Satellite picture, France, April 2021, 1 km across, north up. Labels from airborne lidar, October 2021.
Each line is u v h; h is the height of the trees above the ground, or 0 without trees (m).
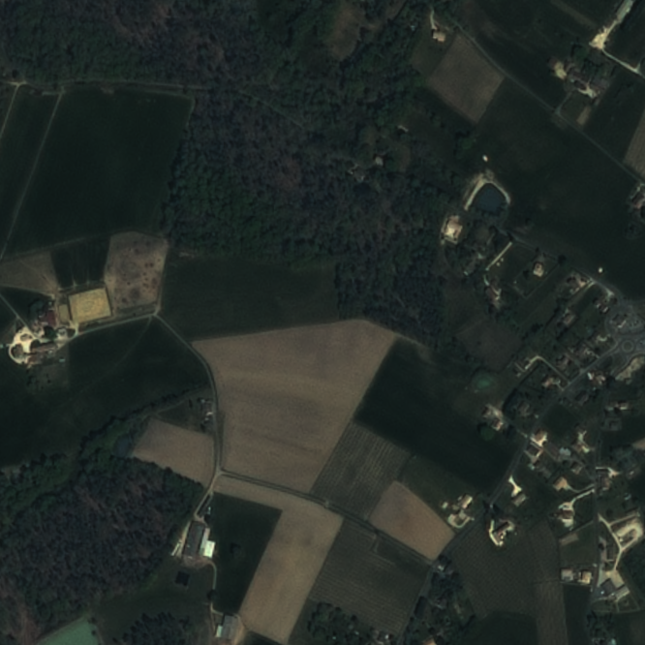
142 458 0
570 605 0
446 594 6
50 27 30
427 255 22
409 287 22
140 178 0
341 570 0
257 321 0
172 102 0
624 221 0
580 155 0
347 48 0
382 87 10
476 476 0
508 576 0
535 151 0
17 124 0
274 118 14
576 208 0
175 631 19
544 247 0
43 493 28
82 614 22
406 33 15
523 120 0
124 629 0
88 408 0
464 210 0
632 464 16
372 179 7
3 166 0
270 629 0
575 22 0
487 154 0
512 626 0
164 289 0
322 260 15
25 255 0
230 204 15
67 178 0
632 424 0
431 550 0
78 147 0
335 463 0
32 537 18
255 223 18
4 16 26
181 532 10
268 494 0
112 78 21
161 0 19
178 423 0
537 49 0
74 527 24
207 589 0
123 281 0
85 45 29
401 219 14
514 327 13
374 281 12
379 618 0
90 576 19
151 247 0
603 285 0
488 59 0
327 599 0
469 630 9
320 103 7
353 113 7
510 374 0
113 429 14
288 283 0
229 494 0
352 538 0
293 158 7
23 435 0
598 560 0
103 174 0
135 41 11
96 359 0
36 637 9
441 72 0
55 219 0
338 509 0
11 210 0
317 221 19
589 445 0
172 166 0
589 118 0
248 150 20
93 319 0
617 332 0
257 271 0
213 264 0
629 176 0
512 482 0
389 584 0
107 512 8
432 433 0
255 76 17
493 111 0
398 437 0
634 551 8
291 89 10
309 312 0
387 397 0
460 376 0
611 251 0
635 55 0
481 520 0
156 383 0
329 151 22
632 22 11
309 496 0
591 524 0
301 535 0
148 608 0
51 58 20
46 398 0
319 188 10
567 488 0
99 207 0
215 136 13
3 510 19
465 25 13
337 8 18
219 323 0
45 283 0
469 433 0
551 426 0
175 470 0
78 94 0
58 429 0
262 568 0
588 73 9
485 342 0
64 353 0
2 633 16
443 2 12
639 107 0
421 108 19
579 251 0
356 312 7
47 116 0
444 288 21
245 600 0
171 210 13
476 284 6
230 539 0
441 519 0
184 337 0
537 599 0
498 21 0
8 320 0
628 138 0
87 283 0
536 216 0
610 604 6
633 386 12
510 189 0
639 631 0
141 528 21
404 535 0
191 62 23
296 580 0
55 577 16
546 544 0
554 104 0
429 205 21
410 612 0
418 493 0
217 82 7
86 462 8
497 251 7
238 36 23
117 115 0
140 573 25
